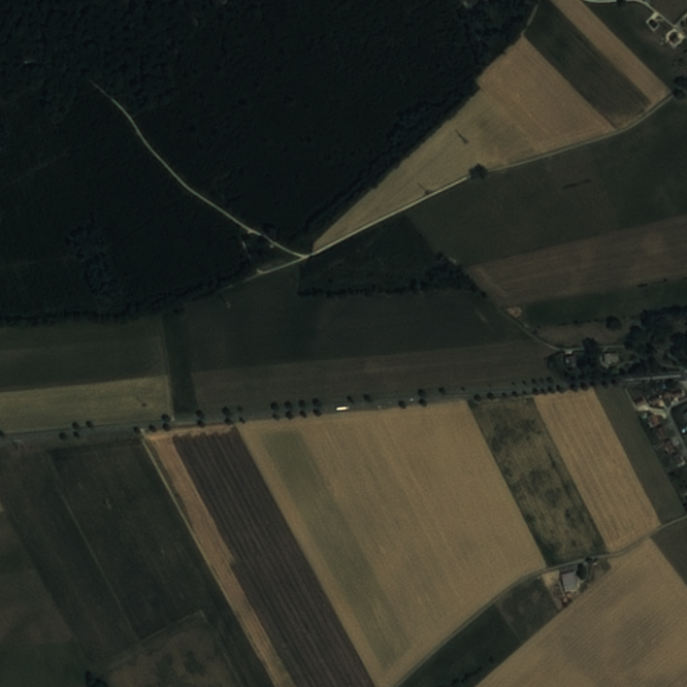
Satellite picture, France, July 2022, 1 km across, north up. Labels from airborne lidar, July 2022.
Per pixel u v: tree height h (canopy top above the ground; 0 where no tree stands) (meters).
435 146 0
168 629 0
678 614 0
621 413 0
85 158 7
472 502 0
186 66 12
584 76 0
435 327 0
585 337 0
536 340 0
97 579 0
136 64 23
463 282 23
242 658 0
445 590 0
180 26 31
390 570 0
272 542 0
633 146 0
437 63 11
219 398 0
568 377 23
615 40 0
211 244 11
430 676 0
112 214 9
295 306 0
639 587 0
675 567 0
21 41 24
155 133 9
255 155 10
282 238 12
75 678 0
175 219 7
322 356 0
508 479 0
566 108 0
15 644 0
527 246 0
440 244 0
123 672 0
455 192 0
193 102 8
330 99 9
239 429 0
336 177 10
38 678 0
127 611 0
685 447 0
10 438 0
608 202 0
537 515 0
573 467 0
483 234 0
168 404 0
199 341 0
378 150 10
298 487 0
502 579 0
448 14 8
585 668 0
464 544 0
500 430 0
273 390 0
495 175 0
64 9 28
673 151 0
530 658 0
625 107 0
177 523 0
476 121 0
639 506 0
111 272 23
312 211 11
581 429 0
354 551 0
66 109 12
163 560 0
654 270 0
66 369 0
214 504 0
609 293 0
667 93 0
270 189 10
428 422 0
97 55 23
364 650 0
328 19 8
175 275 9
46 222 6
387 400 0
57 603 0
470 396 0
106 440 0
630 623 0
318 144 8
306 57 10
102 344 0
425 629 0
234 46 8
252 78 10
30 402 0
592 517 0
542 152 0
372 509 0
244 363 0
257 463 0
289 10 9
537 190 0
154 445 0
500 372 0
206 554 0
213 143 10
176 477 0
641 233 0
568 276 0
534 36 0
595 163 0
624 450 0
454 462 0
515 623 0
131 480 0
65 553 0
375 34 9
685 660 0
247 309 0
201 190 6
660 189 0
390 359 0
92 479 0
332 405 0
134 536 0
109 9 26
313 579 0
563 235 0
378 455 0
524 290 0
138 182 7
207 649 0
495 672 0
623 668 0
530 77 0
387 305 0
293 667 0
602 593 0
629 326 0
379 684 0
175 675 0
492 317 0
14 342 0
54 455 0
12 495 0
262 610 0
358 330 0
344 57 7
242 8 7
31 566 0
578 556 0
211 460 0
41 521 0
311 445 0
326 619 0
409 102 9
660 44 0
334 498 0
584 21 0
